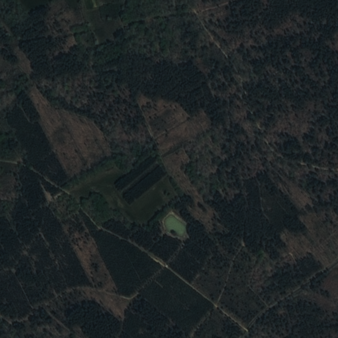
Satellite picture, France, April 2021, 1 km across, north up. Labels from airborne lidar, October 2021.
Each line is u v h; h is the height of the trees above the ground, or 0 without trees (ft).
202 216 31
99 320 0
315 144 42
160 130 27
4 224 48
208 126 25
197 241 0
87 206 55
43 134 45
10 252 41
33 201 46
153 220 40
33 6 0
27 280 0
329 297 63
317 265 63
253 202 36
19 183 33
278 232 50
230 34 47
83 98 25
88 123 31
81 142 32
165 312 45
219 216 36
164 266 0
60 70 87
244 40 38
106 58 55
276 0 45
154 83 0
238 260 20
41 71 0
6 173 23
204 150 66
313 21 57
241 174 26
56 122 38
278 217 57
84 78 39
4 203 46
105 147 31
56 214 58
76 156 30
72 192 0
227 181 63
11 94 42
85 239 26
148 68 79
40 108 24
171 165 34
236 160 57
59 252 33
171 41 67
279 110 36
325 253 69
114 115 39
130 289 35
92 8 0
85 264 35
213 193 53
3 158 44
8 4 70
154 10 71
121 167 60
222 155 32
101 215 58
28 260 34
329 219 50
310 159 60
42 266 37
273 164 33
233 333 31
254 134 34
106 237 45
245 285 25
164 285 37
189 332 31
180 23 60
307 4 58
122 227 44
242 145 42
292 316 57
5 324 79
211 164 38
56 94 58
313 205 64
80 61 65
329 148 82
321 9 57
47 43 0
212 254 31
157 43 81
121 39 87
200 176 45
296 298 21
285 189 69
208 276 42
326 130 27
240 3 64
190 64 18
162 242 40
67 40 28
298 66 41
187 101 0
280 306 56
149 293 40
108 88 30
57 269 38
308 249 36
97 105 32
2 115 30
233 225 0
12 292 46
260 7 55
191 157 66
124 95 47
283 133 37
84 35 52
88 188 0
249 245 63
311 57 23
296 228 77
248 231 53
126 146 55
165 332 0
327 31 61
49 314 66
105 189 0
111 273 38
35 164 35
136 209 0
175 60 20
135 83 79
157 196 0
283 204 49
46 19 32
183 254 32
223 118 70
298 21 33
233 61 59
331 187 83
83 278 50
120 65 72
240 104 68
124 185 39
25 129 46
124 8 31
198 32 61
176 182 32
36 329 51
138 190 36
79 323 0
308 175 23
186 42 37
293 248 37
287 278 65
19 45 40
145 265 37
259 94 79
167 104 34
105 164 61
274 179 66
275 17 39
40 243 34
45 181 34
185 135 18
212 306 40
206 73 30
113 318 21
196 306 37
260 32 50
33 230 43
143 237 46
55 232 37
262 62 75
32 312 55
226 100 43
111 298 31
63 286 39
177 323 44
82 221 34
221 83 63
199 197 29
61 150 30
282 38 34
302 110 73
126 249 46
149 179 37
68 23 31
